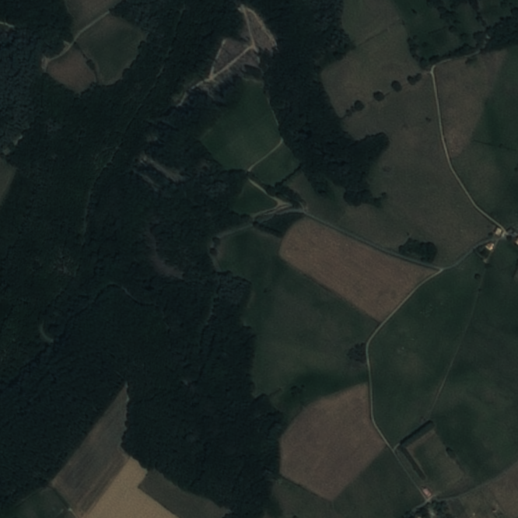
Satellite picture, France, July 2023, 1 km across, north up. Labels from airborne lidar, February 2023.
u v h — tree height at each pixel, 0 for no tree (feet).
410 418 0
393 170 50
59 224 78
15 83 87
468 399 0
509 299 0
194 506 0
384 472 0
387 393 0
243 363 50
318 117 76
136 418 52
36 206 73
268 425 76
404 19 0
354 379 0
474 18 0
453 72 0
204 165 64
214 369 54
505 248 0
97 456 0
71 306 79
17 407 84
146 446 67
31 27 56
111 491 0
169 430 91
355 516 0
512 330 0
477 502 0
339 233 0
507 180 0
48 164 74
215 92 90
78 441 71
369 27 0
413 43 30
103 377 72
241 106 0
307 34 67
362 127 0
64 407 90
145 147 92
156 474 0
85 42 0
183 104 80
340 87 0
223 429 83
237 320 60
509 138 0
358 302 0
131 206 69
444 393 0
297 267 0
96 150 58
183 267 28
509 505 0
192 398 53
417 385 0
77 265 46
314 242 0
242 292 58
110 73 0
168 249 35
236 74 68
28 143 52
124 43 0
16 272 73
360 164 72
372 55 0
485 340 0
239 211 0
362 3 0
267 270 0
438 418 0
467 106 0
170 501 0
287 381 0
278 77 68
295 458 0
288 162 0
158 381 75
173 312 91
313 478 0
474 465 0
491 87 0
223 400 78
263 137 0
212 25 91
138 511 0
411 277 0
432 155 0
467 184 0
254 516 41
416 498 0
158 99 48
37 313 74
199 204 32
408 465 0
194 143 65
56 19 73
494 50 31
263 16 66
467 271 0
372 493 0
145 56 55
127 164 73
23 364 51
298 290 0
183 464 81
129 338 64
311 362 0
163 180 85
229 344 64
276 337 0
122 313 52
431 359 0
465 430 0
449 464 0
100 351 72
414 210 0
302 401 0
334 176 62
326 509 0
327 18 69
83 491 0
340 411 0
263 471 55
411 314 0
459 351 0
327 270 0
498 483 0
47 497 0
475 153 0
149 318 65
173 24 75
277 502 0
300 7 66
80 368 81
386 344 0
